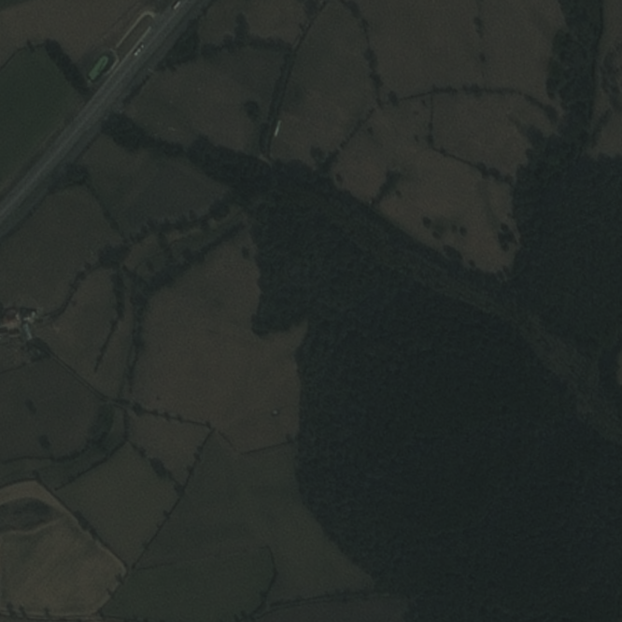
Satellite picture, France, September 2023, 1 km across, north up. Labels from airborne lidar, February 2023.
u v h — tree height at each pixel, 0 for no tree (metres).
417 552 23
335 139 0
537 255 20
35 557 0
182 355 0
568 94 6
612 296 20
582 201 18
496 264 0
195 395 0
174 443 0
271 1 0
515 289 11
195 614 0
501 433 26
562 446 26
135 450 9
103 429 0
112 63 0
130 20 0
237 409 0
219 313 0
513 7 0
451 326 18
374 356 25
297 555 0
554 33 0
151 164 0
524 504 23
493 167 0
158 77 0
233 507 0
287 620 0
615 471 20
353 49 0
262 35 0
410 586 18
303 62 0
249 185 18
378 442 23
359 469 6
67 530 0
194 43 15
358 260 15
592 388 30
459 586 24
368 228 36
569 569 22
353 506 21
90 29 0
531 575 25
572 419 17
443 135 0
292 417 0
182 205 0
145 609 0
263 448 0
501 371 22
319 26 0
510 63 0
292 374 0
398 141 0
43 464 0
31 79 0
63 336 0
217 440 0
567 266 19
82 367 0
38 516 0
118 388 0
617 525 23
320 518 15
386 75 0
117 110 0
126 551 0
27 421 0
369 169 0
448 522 24
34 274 0
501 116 0
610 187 20
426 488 25
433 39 0
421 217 0
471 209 0
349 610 0
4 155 0
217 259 0
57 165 0
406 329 24
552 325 9
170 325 0
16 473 0
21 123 0
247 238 0
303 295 12
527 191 21
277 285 6
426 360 27
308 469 15
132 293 0
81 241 0
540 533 27
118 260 19
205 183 0
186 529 0
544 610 18
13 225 0
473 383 23
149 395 0
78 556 0
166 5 0
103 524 0
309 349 7
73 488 0
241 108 0
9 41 0
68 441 0
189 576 0
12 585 0
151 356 0
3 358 0
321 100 0
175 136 0
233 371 0
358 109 0
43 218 0
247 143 0
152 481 0
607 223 21
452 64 0
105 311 0
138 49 0
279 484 0
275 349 0
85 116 0
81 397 0
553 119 21
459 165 0
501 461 24
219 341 0
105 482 0
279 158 0
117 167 0
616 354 7
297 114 0
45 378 0
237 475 0
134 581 0
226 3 0
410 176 0
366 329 19
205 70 0
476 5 0
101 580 0
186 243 0
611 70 13
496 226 0
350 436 21
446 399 24
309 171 18
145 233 10
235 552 0
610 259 20
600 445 22
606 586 22
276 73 0
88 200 0
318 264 6
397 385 24
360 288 6
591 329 21
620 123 0
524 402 23
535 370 22
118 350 0
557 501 24
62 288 0
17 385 0
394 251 33
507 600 21
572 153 16
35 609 0
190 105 0
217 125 0
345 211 34
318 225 16
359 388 22
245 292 0
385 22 0
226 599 0
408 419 24
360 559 15
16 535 0
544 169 24
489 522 28
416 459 24
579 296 16
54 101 0
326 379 14
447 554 24
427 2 0
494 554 25
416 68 0
